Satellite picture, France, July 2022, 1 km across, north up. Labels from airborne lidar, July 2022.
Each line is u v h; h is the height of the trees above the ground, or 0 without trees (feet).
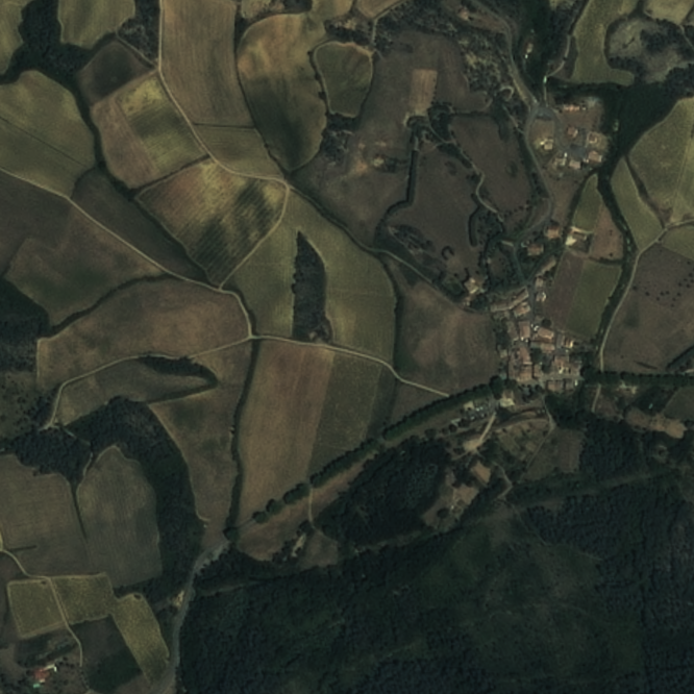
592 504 56
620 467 23
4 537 0
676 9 0
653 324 0
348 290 0
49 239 0
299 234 24
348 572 42
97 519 0
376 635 27
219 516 0
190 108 0
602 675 25
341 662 33
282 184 0
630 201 0
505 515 0
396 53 0
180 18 0
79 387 0
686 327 0
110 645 0
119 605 0
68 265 0
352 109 0
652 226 0
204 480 0
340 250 0
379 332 0
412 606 34
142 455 51
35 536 0
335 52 0
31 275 0
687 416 0
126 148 0
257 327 0
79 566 0
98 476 0
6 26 0
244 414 0
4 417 22
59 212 0
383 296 0
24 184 0
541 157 0
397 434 68
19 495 0
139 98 0
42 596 0
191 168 0
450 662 36
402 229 28
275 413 0
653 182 0
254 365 0
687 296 0
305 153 0
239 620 29
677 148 0
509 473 25
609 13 0
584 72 0
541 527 47
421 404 0
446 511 30
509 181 0
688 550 27
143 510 0
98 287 0
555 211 0
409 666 63
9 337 38
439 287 25
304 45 0
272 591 46
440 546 45
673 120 0
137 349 0
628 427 62
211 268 0
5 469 0
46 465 35
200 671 59
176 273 0
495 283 24
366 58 0
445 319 0
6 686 32
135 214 0
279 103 0
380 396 0
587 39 0
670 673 76
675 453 67
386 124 0
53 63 31
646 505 62
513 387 74
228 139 0
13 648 0
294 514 0
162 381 0
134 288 0
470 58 0
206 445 0
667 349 0
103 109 0
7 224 0
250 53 0
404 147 0
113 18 0
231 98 0
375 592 36
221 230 0
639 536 21
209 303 0
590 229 0
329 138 20
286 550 50
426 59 0
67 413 0
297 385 0
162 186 0
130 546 0
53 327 29
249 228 0
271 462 0
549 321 23
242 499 0
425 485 66
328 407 0
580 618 23
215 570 73
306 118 0
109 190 0
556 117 0
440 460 73
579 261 0
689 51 31
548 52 27
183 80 0
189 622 23
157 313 0
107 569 0
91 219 0
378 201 0
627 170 0
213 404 0
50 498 0
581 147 0
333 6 0
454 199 0
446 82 0
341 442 0
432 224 0
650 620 71
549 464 0
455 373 0
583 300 0
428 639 40
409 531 42
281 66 0
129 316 0
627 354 0
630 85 20
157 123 0
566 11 21
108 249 0
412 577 36
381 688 45
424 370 0
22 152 0
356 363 0
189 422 0
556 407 26
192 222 0
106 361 0
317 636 26
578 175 0
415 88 0
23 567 0
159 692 0
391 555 83
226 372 0
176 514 47
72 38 0
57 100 0
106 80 0
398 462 42
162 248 0
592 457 45
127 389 0
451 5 0
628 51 0
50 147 0
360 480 44
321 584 52
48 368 0
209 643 48
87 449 45
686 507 58
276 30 0
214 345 0
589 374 84
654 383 59
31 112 0
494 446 25
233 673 59
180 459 21
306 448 0
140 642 0
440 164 0
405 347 0
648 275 0
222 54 0
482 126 0
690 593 50
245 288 0
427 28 22
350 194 0
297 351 0
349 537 52
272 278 0
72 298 0
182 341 0
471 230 44
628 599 58
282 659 26
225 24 0
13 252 0
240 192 0
